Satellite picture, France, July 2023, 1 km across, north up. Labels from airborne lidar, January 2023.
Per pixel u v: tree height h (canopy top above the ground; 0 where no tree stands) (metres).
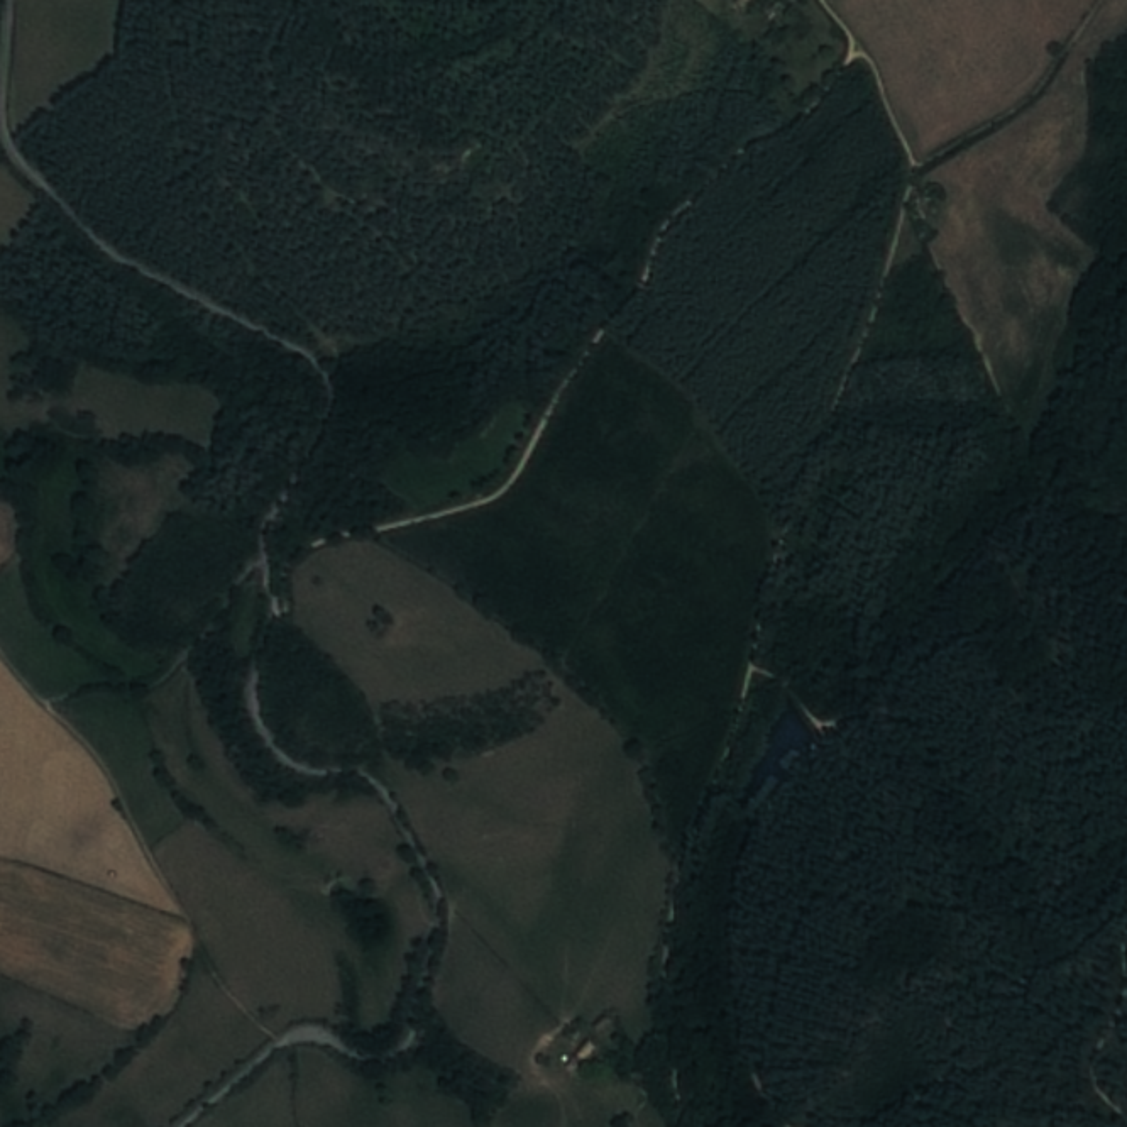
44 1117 9
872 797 21
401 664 0
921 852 24
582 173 17
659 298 12
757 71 12
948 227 0
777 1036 22
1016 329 0
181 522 9
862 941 16
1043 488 10
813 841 26
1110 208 13
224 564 9
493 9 19
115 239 15
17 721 0
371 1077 15
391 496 9
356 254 15
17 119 0
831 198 8
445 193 8
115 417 0
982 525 22
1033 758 19
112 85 17
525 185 17
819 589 25
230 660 14
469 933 0
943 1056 21
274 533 13
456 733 9
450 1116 0
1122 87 10
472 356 12
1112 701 16
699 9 6
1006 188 0
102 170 20
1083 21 0
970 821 28
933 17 0
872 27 0
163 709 0
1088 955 22
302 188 15
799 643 9
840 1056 10
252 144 17
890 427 16
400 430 17
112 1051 0
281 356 19
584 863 0
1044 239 0
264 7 16
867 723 24
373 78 15
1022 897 21
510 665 0
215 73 17
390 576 0
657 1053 17
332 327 16
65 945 0
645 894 0
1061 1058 22
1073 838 19
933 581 24
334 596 0
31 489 19
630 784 0
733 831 22
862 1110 6
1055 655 18
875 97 13
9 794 0
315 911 0
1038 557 18
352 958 0
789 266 12
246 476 24
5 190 0
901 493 25
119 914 0
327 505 11
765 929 23
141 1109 0
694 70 6
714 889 17
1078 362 7
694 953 16
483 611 9
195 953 0
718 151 12
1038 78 0
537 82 14
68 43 0
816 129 14
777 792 33
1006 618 11
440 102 18
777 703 15
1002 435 20
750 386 10
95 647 0
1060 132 0
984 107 0
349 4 14
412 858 16
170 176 19
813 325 13
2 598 0
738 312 10
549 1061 6
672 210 6
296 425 18
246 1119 0
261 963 0
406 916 0
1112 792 27
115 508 0
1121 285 7
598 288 26
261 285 18
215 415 0
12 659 0
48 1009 0
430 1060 13
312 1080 0
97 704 0
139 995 0
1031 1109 15
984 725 16
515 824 0
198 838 0
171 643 7
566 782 0
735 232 9
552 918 0
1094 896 16
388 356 14
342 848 0
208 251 16
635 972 0
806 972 25
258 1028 0
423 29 7
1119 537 23
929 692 23
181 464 0
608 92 16
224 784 0
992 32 0
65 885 0
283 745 9
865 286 11
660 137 8
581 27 15
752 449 13
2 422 0
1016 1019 24
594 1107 0
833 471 22
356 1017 6
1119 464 17
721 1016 21
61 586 0
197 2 16
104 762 0
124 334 26
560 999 0
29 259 22
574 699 0
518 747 0
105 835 0
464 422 11
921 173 9
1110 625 18
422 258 17
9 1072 7
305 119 10
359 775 11
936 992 16
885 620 7
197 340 15
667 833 10
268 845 0
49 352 19
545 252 20
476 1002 0
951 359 16
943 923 11
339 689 7
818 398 14
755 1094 19
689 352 10
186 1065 0
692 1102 6
